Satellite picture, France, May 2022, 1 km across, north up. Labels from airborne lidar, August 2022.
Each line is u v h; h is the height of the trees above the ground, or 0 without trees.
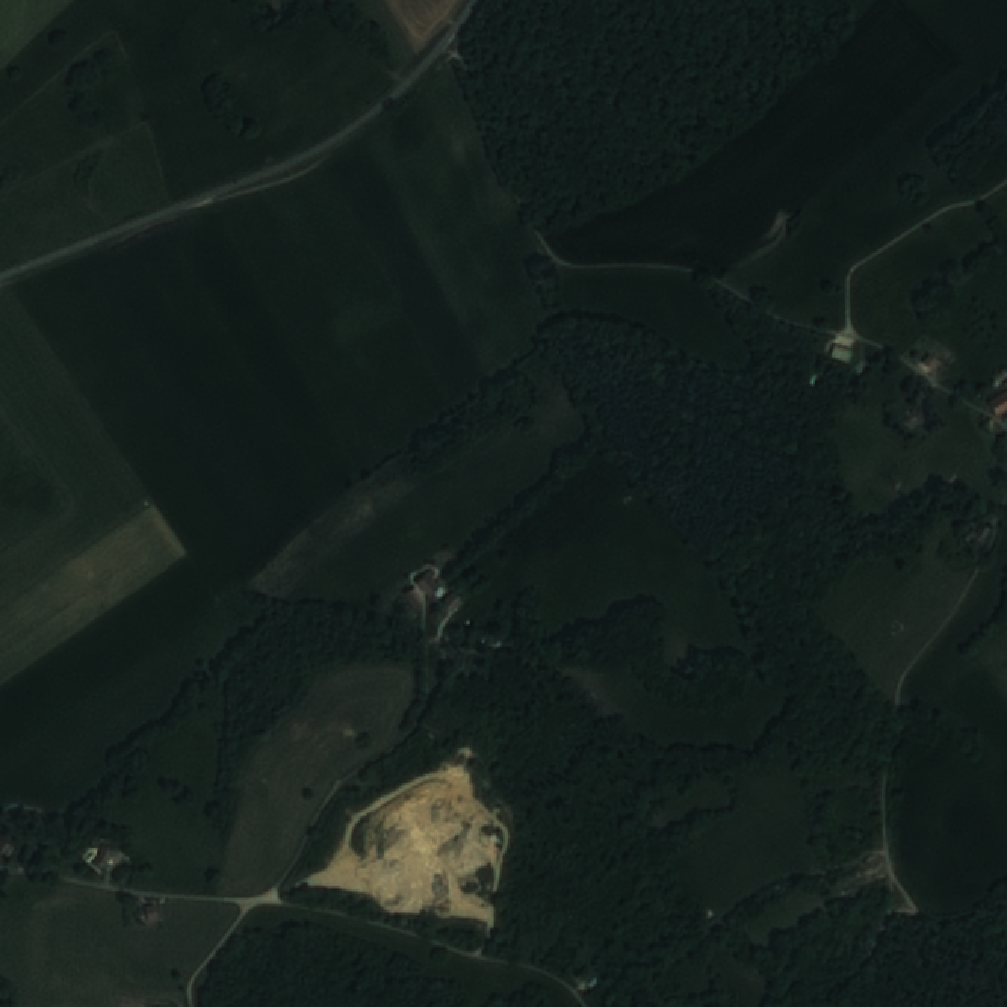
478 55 14
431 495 0
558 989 0
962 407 8
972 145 19
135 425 0
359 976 15
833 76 0
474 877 0
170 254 0
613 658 19
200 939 0
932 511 17
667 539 0
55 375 0
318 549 0
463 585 13
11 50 0
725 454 18
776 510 19
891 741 13
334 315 0
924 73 0
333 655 13
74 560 0
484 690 8
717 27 16
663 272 0
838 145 0
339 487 0
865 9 0
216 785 8
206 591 0
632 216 0
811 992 13
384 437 0
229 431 0
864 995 16
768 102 17
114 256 0
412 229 0
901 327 0
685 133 20
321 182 0
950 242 0
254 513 0
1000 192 0
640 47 17
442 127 0
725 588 16
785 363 15
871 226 0
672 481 20
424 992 17
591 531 0
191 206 0
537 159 20
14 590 0
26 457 0
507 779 12
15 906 0
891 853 0
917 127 0
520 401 19
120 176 0
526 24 18
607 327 21
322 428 0
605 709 0
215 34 0
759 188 0
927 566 0
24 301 0
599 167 18
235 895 0
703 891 0
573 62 23
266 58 0
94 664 0
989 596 0
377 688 0
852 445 0
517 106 18
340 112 0
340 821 0
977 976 26
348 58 0
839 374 14
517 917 10
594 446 16
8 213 0
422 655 13
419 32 0
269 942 10
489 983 0
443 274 0
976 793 0
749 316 11
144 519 0
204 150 0
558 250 0
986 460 0
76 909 0
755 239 0
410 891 0
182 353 0
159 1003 0
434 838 0
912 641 0
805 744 16
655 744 10
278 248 0
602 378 17
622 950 7
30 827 20
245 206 0
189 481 0
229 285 0
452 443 23
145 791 0
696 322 0
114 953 0
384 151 0
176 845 0
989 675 0
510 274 0
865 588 0
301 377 0
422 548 0
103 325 0
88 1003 0
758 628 17
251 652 9
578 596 0
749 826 0
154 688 0
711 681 22
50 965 0
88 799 8
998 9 0
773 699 0
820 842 15
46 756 0
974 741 10
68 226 0
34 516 0
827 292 11
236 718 9
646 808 16
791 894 7
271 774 0
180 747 0
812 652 20
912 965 21
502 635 13
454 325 0
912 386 10
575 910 9
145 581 0
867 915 11
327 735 0
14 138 0
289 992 10
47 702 0
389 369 0
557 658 17
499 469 0
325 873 0
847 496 23
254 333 0
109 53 10
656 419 14
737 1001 11
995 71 0
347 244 0
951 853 0
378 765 6
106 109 0
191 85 0
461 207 0
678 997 13
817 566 18
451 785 0
